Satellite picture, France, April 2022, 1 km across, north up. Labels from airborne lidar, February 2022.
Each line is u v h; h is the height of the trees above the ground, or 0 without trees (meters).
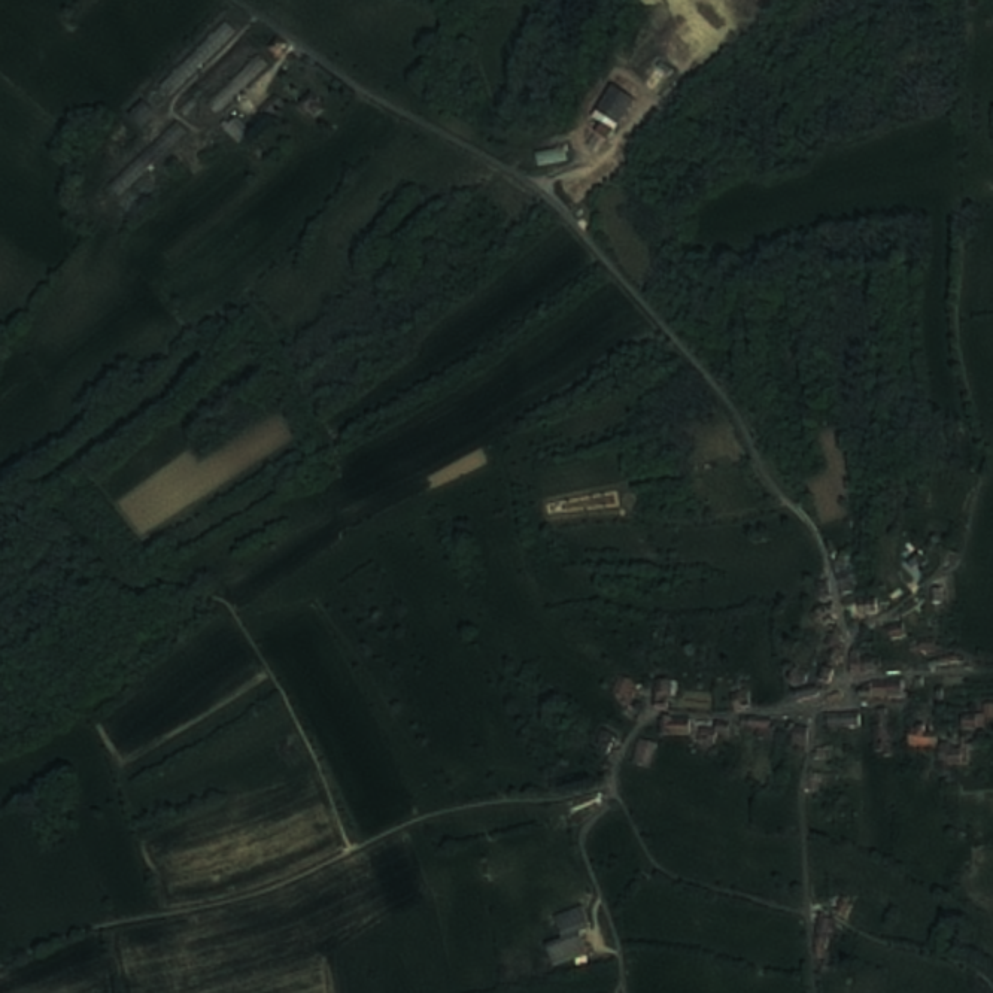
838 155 0
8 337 17
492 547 0
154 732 0
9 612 24
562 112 19
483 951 0
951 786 9
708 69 8
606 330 0
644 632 0
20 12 0
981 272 0
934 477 17
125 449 19
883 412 20
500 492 0
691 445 16
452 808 0
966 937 20
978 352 0
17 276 0
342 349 16
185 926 0
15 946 0
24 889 0
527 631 0
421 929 0
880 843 0
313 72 0
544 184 0
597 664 0
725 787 0
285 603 0
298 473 20
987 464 9
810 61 18
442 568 0
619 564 7
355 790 0
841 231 16
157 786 0
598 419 0
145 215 17
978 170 0
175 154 0
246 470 0
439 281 18
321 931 0
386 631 8
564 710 16
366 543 0
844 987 0
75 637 19
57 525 22
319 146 0
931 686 0
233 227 0
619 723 6
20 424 0
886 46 22
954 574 0
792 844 0
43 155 0
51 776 13
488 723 0
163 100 0
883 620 0
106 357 0
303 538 0
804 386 8
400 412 11
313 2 0
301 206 0
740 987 0
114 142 0
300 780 0
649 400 16
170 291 0
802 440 7
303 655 0
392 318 20
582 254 0
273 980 0
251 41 0
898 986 0
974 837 0
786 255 24
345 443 11
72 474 20
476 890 0
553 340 0
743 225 0
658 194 18
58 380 0
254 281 0
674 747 0
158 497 0
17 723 27
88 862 0
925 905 0
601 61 10
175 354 7
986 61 0
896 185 0
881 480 15
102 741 0
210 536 8
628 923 0
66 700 21
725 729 0
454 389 8
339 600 0
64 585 24
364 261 18
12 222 0
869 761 0
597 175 0
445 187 0
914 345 11
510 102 16
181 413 20
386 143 0
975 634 0
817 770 0
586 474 0
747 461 6
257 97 0
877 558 7
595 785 19
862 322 17
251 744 0
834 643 0
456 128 0
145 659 16
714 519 11
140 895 0
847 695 0
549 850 0
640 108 0
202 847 0
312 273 0
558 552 7
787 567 0
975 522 0
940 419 22
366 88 0
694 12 0
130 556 18
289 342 8
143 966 0
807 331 21
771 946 0
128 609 24
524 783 0
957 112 10
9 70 0
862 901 0
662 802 0
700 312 20
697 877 0
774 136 23
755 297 18
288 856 0
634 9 16
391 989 0
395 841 0
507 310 0
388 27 0
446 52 23
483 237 6
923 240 9
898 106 7
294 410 12
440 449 0
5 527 24
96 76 0
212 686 0
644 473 16
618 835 0
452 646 0
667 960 0
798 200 0
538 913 0
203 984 0
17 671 21
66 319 0
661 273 20
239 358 23
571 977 9
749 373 21
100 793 0
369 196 0
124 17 0
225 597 0
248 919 0
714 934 0
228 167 0
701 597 0
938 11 21
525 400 0
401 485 0
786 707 0
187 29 0
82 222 15
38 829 17
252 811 0
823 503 0
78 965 0
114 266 0
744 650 0
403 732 0
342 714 0
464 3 18
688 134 23
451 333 0
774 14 23
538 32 19
